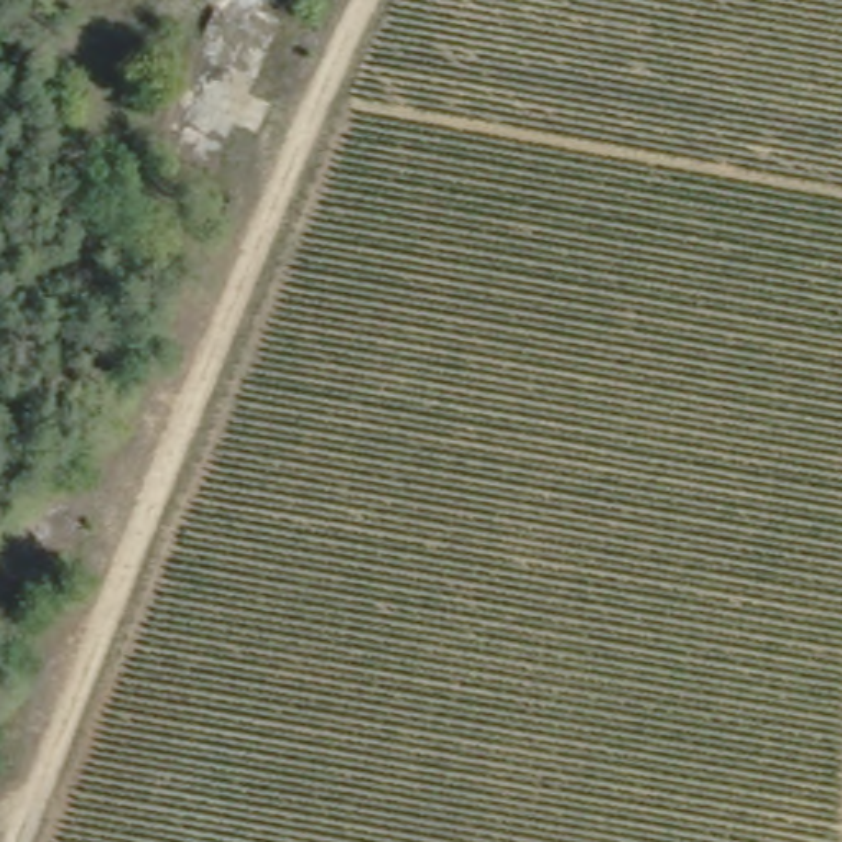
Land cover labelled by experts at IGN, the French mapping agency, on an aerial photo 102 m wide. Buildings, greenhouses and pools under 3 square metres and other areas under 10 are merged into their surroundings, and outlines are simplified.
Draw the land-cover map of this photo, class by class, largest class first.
<instances>
[{"label":"vineyard","instance_id":"1","mask_svg":"<svg viewBox=\"0 0 842 842\"><path fill-rule=\"evenodd\" d=\"M342 95H349L359 115L352 118V132L345 135L339 161L332 164L319 211L309 230L303 234L293 276L283 286L276 312L266 326L260 359L240 385L237 408L227 421L224 441L217 444L211 474L204 477L197 500L174 536V553L168 556L164 579L135 641V655L118 674L95 747L82 766L79 783L69 789V806L53 842H842V0H378L339 89Z\"/></svg>","mask_w":842,"mask_h":842},{"label":"herbaceous vegetation","instance_id":"2","mask_svg":"<svg viewBox=\"0 0 842 842\"><path fill-rule=\"evenodd\" d=\"M56 46L62 53H76L79 69L95 86L105 89L109 102L115 105L132 102L138 89L132 79H125V66L145 49L151 56L184 59L191 66L194 49L204 53L207 46L204 33L211 26L217 0H43ZM349 0H270V10H276V36L250 89L257 99L266 102L260 125L230 128L227 135L207 132L217 151L197 158L194 145L184 141V128L191 122L181 102H164L155 112H132L128 125L145 132L151 151L164 158L161 171L174 181H184L187 187L191 214L178 220V224L184 234L181 250L171 253L164 266L151 263L128 286H122V293L135 303L141 326L151 339H164V352L158 362L148 365V378L135 385L128 395L115 391V385L105 391L102 418L95 421L92 437H66L59 431H39L33 437L36 460L13 483L10 513H0V615L7 622H16L30 612L26 585L49 582L56 592L66 595L62 579H69L82 566L95 569L105 579L115 549L125 539L155 451L171 424V411L187 378V365L211 329L227 276L240 257L250 217L257 214L280 148L289 135L293 115L319 69V59L329 49L332 30L342 20ZM76 464L102 467V483L79 497H66L72 490L69 477L76 474ZM359 115L349 95H342L339 89L326 109V118L299 171L296 191L283 211L270 253L257 273L253 293L237 322L217 382L204 401L194 437L184 451V460L168 490L155 533L145 546L132 592L109 638L105 658L79 714L76 733L56 773L53 793L43 806L33 842H53L69 806V789L79 783L82 766L95 747L118 674L135 655V641L164 579L168 556L174 553V536L197 500L204 477L211 474L217 444L224 441L227 421L237 408L240 385L260 359L266 326L276 312L283 286L293 276L303 234L309 230L319 211L332 164L339 161L345 135L352 132V118ZM92 605L89 599L66 602L59 618L36 635L33 651L43 658L39 678L16 727L7 737H0V799L10 789H16L33 770L56 701L66 687L69 668L82 645Z\"/></svg>","mask_w":842,"mask_h":842},{"label":"coniferous trees","instance_id":"3","mask_svg":"<svg viewBox=\"0 0 842 842\"><path fill-rule=\"evenodd\" d=\"M56 62L66 69H79L76 53H62L56 46L43 0H0V513H10L13 483L36 460L33 437L39 431H59L66 437H92L95 421L102 418L105 391L115 385L112 375L128 365V349L135 345V332L141 326L135 303L122 293V286H128L151 263L164 266L171 253L181 250L184 234L178 224L155 240L151 260L128 253V247L122 243H105L102 234L82 237V224L76 220V214L86 207L92 194L89 168L95 161L122 164L135 155L141 191L155 201H164L178 220L191 214L187 187L184 181H174L161 171L164 158L151 151L145 132L128 125L132 112V102L115 105L109 102L105 89L95 86L89 122L82 128L56 125V109L46 79L53 76ZM16 622H7L0 615V737H7L16 727L39 678H13L7 671Z\"/></svg>","mask_w":842,"mask_h":842},{"label":"pervious surface","instance_id":"4","mask_svg":"<svg viewBox=\"0 0 842 842\"><path fill-rule=\"evenodd\" d=\"M378 0H349L342 20L332 30L329 49L319 59V69L293 115L289 135L280 148L257 214L250 217L240 257L227 276L211 329L187 365V378L171 411V424L155 451L125 539L115 549L105 579L92 605L82 645L69 668L66 687L56 701L33 770L16 789H10L0 799V842H33L43 806L53 793L56 773L76 733L79 714L105 658L109 638L132 592L145 546L155 533L168 490L184 460V451L194 437L204 401L217 382L237 322L253 293L257 273L270 253L283 211L296 191L299 171L326 118V109L339 89Z\"/></svg>","mask_w":842,"mask_h":842},{"label":"deciduous trees","instance_id":"5","mask_svg":"<svg viewBox=\"0 0 842 842\"><path fill-rule=\"evenodd\" d=\"M125 79H132L138 89L132 102V112H155L164 102H181L184 89L191 86V66L184 59L151 56L145 49L125 66ZM56 109V125L82 128L89 122L95 86L79 69H66L56 62L53 76L46 79ZM92 194L86 207L76 214V220L82 224V237L102 234L105 243H122L128 247V253L151 260L155 240L178 224V220L164 201H155L141 191L135 155L122 164L95 161L89 168ZM164 352V339H151L141 326L135 332V345L128 349V365L112 375L115 385V391L128 395L135 385L148 378V365L158 362ZM102 483V467L76 464V474L69 477L72 490L66 497H79ZM66 595L56 592L49 582L26 585L30 612L16 622L7 671L13 678H39L43 658L33 651L36 635L59 618L66 602L89 599L92 605L105 579L95 569L82 566L69 579H62Z\"/></svg>","mask_w":842,"mask_h":842},{"label":"impervious surface","instance_id":"6","mask_svg":"<svg viewBox=\"0 0 842 842\"><path fill-rule=\"evenodd\" d=\"M207 46L204 53L194 49L191 66V86L184 89L181 102L191 122L184 128V141L194 145L197 158L217 151L207 132L227 135L230 128L260 125L266 102L257 99L250 89L276 36V10H270V0H217L211 26L204 33Z\"/></svg>","mask_w":842,"mask_h":842}]
</instances>
